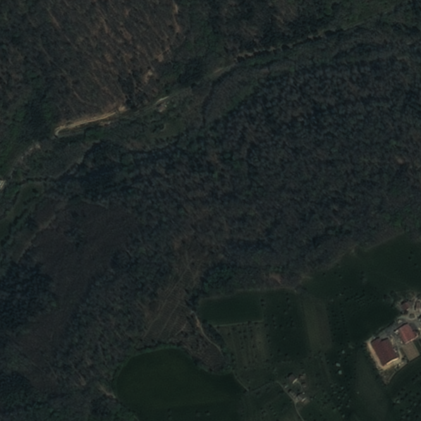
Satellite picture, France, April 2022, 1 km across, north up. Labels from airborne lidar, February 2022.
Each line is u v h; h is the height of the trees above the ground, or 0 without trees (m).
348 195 27
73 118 31
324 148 26
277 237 35
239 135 28
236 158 30
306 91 24
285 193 28
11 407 18
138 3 31
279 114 27
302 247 36
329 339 0
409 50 26
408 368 0
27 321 26
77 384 26
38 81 26
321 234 34
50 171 26
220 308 0
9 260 23
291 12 30
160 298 18
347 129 32
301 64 26
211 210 27
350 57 26
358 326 0
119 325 32
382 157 28
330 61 28
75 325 28
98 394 27
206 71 26
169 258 14
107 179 30
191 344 0
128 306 29
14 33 33
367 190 28
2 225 0
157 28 31
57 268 12
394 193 28
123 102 30
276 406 0
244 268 36
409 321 0
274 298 0
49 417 27
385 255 0
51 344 9
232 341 0
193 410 0
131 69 16
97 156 31
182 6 29
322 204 7
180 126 0
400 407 0
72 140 7
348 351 0
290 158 29
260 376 0
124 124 23
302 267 31
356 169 28
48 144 29
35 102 20
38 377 11
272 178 24
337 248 29
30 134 22
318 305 0
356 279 0
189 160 27
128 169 24
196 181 29
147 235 17
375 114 30
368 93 34
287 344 0
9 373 28
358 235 31
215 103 30
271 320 0
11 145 28
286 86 28
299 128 24
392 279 0
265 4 30
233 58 20
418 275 0
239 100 24
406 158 30
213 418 0
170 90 23
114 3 31
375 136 28
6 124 38
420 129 23
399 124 30
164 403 0
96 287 26
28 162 26
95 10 29
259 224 28
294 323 7
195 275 0
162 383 0
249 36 29
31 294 29
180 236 30
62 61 27
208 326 22
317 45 27
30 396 17
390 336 0
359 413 0
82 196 26
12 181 23
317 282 0
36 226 20
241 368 0
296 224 34
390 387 0
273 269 9
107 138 22
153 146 26
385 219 36
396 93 29
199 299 14
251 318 0
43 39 7
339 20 29
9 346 23
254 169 24
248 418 0
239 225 37
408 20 18
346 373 0
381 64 18
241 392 0
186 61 32
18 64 34
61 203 24
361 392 0
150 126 19
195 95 17
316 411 0
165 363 0
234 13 23
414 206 31
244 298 0
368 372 0
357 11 31
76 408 32
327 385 0
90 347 30
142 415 0
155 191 34
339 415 0
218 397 0
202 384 0
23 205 0
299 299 0
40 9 24
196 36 32
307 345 0
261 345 0
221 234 17
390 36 17
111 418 35
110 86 29
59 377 25
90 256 12
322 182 24
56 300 21
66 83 27
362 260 0
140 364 0
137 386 0
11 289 29
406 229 27
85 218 13
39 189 0
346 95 24
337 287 0
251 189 23
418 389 0
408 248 0
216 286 30
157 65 29
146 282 25
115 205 19
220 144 9
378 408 0
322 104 20
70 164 25
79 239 23
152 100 20
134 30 29
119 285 31
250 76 30
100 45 27
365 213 23
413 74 24
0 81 18
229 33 21
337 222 27
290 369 0
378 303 0
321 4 28
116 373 10
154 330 0
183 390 0
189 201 6
